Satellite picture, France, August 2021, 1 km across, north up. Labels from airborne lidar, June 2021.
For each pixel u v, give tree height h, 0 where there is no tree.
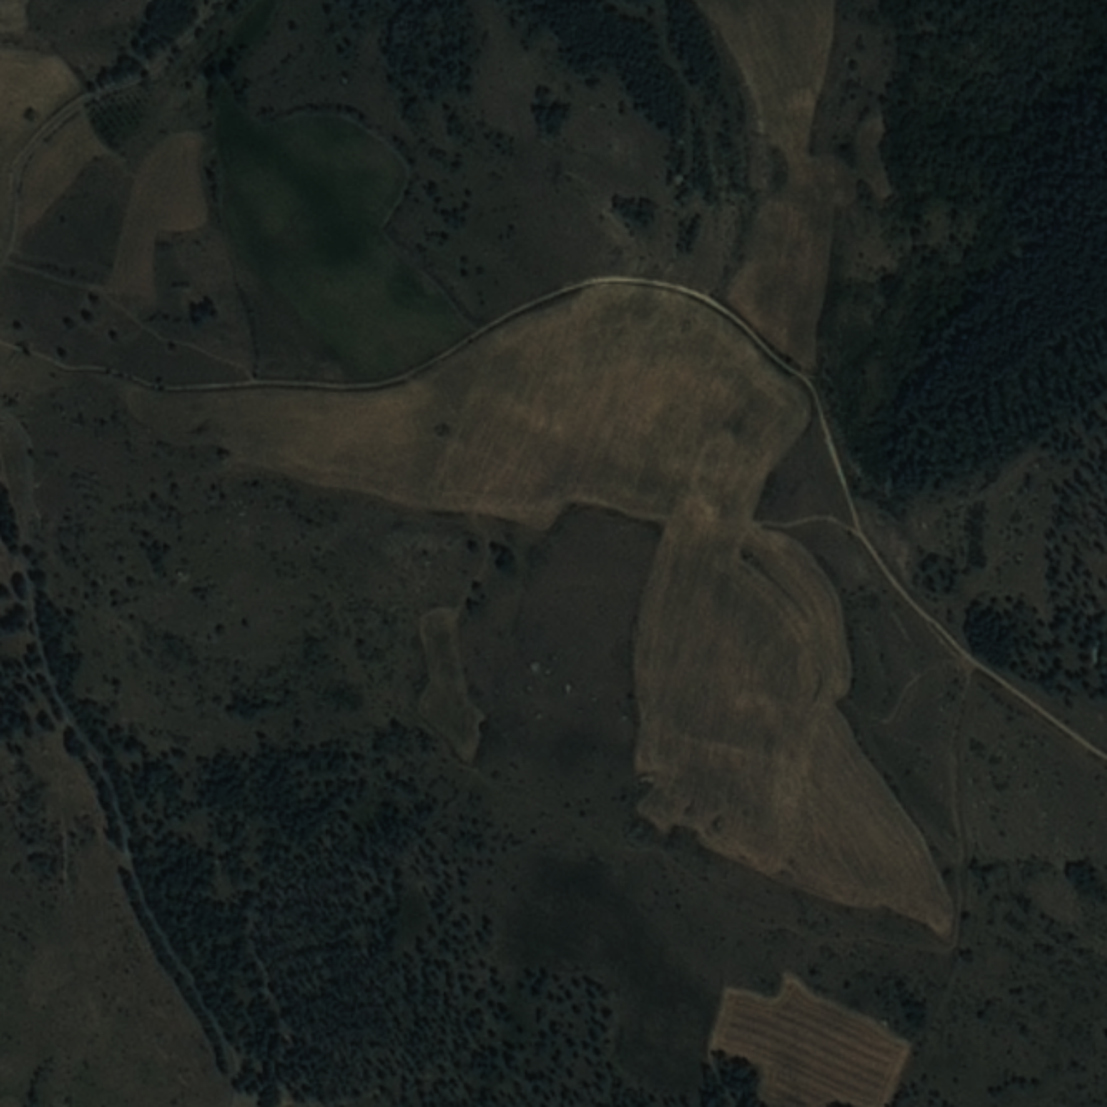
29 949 0
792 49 0
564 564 0
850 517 0
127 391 0
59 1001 0
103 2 0
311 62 0
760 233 0
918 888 0
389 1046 17
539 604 0
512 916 0
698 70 10
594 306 0
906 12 9
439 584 0
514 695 0
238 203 0
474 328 0
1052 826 0
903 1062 0
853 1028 0
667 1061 0
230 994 10
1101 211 12
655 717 0
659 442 0
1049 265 13
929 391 11
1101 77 20
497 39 0
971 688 0
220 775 8
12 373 0
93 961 0
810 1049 0
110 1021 0
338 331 0
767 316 0
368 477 0
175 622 0
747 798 0
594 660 0
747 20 0
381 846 14
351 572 0
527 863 0
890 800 0
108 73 14
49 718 12
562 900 0
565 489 0
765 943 0
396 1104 10
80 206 0
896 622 0
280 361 0
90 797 0
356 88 0
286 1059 8
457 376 0
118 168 0
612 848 0
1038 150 13
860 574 0
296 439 0
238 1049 8
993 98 12
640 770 0
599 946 0
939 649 0
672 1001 0
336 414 0
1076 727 0
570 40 10
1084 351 12
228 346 0
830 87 0
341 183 0
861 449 8
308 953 13
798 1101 0
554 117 11
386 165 0
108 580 0
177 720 0
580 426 0
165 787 11
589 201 0
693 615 0
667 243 0
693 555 0
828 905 0
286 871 11
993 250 9
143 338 0
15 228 0
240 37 0
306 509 0
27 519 0
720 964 0
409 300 0
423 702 0
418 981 15
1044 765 0
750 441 0
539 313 0
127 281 0
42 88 0
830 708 0
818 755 0
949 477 7
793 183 0
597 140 0
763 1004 0
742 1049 0
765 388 0
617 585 0
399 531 0
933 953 0
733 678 0
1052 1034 0
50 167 0
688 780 0
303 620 0
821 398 0
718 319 0
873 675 0
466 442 0
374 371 0
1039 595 0
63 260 0
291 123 0
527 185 0
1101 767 0
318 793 9
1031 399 14
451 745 0
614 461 0
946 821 0
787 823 0
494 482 0
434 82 9
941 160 10
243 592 0
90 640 0
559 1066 8
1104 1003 0
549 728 0
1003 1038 0
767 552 0
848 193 0
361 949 14
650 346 0
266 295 0
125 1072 0
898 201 9
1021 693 0
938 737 0
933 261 11
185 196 0
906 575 0
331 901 13
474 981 10
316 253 0
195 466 0
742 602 0
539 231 0
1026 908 7
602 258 0
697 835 0
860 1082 0
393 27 10
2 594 15
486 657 0
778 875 0
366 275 0
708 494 0
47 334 0
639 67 10
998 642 14
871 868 0
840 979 0
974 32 9
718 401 0
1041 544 0
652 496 0
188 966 16
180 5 12
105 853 0
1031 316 11
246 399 0
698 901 0
